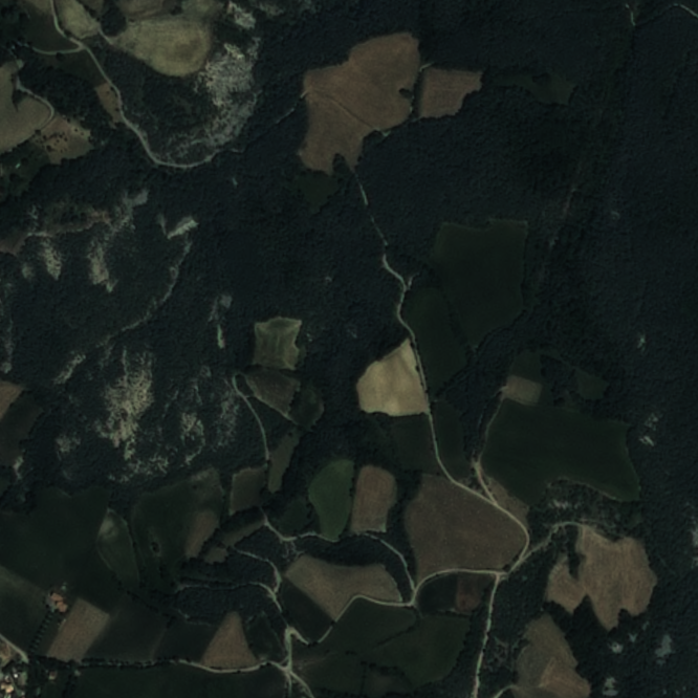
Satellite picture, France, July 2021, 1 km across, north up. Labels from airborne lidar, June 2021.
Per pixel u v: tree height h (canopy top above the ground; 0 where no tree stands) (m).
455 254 0
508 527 0
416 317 0
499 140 8
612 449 0
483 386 7
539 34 17
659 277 10
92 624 0
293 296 8
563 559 0
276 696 0
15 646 0
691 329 11
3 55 13
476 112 15
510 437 0
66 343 7
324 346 13
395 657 0
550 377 13
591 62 12
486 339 7
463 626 0
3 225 8
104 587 0
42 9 0
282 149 11
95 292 7
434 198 8
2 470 9
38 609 0
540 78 13
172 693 0
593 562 0
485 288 0
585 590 0
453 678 7
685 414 11
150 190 8
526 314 8
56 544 0
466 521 0
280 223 13
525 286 12
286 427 9
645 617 12
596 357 13
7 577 0
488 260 0
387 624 0
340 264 11
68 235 6
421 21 18
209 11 0
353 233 10
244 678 0
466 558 0
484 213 6
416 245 10
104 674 0
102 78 0
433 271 12
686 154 8
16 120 0
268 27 11
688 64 8
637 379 10
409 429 0
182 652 0
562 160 18
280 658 0
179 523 0
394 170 13
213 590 7
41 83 7
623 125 8
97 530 0
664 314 9
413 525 0
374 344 10
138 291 6
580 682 0
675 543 7
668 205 10
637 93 8
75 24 0
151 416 5
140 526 0
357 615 0
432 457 0
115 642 0
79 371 8
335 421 7
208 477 0
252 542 9
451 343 0
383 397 0
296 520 0
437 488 0
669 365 7
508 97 14
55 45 0
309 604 0
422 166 8
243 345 7
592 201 20
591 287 9
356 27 10
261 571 6
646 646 10
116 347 6
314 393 0
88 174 11
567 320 13
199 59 0
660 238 10
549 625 0
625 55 8
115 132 13
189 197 8
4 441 0
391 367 0
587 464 0
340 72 0
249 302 7
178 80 6
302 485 12
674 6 7
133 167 14
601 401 13
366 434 12
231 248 10
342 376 9
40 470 10
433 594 0
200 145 6
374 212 9
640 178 12
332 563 6
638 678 11
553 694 0
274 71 15
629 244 7
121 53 7
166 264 6
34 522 0
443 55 16
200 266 9
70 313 6
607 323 9
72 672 8
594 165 8
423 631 0
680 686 6
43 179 20
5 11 15
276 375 0
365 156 9
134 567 0
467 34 17
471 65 14
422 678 0
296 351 0
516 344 7
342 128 0
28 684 7
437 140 13
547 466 0
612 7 11
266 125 10
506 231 0
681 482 7
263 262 7
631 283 7
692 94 10
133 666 8
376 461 14
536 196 7
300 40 9
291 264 7
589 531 0
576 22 13
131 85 8
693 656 8
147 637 0
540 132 17
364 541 7
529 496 0
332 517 0
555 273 16
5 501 12
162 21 0
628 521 7
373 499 0
